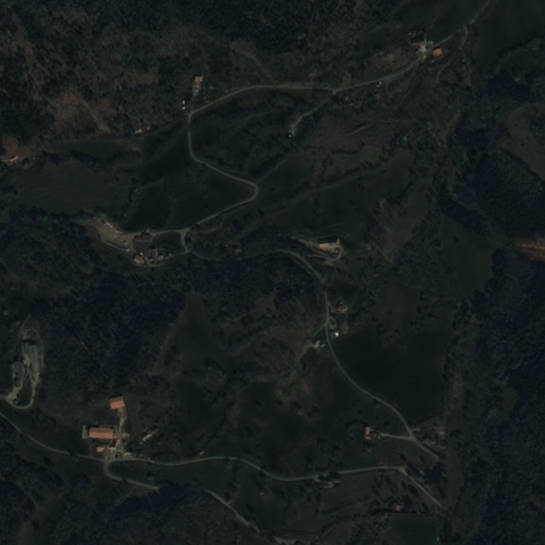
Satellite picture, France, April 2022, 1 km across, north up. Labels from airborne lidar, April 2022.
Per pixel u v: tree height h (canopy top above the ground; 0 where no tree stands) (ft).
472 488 63
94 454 0
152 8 61
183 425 0
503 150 61
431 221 66
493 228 85
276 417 0
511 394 0
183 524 101
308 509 0
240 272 83
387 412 0
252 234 0
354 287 0
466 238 0
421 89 0
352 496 0
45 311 86
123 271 0
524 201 80
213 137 0
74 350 56
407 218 46
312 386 0
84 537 30
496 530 80
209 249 23
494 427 79
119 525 93
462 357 63
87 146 0
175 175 0
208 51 82
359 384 0
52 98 56
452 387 70
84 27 34
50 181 0
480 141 102
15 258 74
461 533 26
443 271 62
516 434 93
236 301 68
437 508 0
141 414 28
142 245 0
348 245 0
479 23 26
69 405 74
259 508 0
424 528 0
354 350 0
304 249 47
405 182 0
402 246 0
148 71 75
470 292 0
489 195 89
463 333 53
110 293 72
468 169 72
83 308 20
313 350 0
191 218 0
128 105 74
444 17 0
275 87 0
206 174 38
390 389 0
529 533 82
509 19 0
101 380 55
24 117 32
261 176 46
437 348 0
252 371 77
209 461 0
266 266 48
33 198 0
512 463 90
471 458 26
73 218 22
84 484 52
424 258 71
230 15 57
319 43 68
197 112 0
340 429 0
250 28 52
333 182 63
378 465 0
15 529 93
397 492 62
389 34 27
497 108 71
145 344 55
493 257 0
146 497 0
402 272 62
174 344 0
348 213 0
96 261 74
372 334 0
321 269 61
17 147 0
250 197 0
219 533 113
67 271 37
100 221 0
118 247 0
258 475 0
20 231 68
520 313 83
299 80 49
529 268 80
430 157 51
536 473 84
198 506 84
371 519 25
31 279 58
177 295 35
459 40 56
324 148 0
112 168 67
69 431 0
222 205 0
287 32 58
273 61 75
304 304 63
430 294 32
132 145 0
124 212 40
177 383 0
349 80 0
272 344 24
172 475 0
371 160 0
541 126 64
